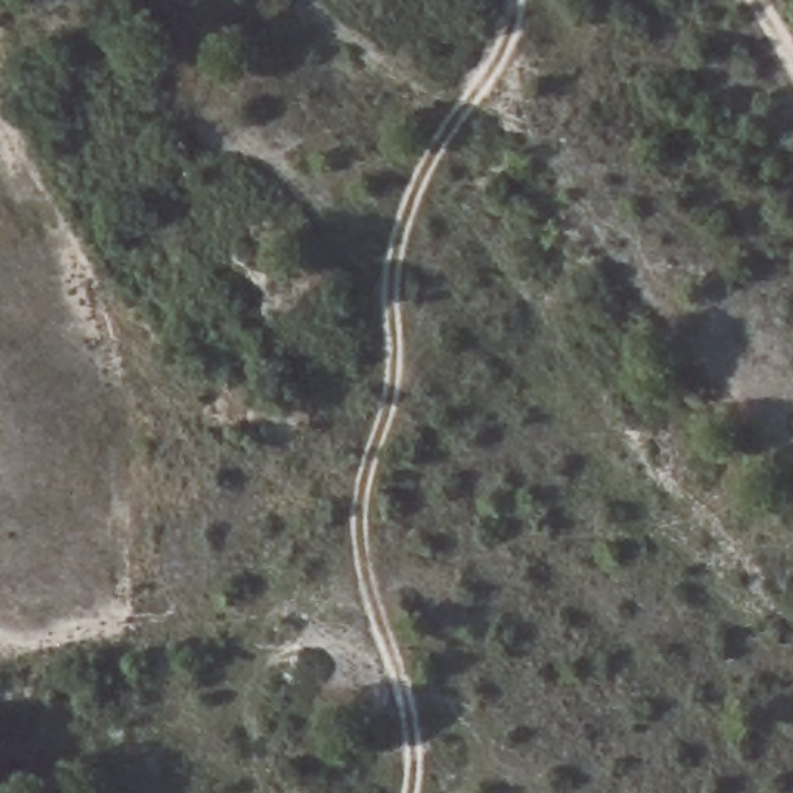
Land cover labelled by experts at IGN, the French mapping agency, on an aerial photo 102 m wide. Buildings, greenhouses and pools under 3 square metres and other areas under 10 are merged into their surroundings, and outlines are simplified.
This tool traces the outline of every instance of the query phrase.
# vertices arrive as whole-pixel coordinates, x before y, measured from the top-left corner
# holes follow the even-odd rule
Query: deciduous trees
[[[167,53],[158,43],[146,40],[149,19],[146,12],[130,6],[130,0],[81,0],[84,9],[77,31],[90,34],[115,77],[121,74],[124,81],[155,81],[164,68]]]
[[[307,647],[297,657],[294,681],[285,681],[276,672],[257,709],[266,756],[276,759],[285,778],[294,774],[294,759],[300,756],[316,756],[325,765],[341,765],[344,753],[353,743],[347,728],[335,719],[338,703],[319,694],[325,681],[335,675],[335,660],[319,647]]]
[[[545,520],[545,508],[533,502],[527,489],[517,489],[517,517],[524,530],[536,530]]]
[[[719,632],[719,638],[725,641],[725,657],[747,657],[750,629],[728,623]]]
[[[226,592],[226,601],[235,607],[257,601],[266,592],[266,576],[242,573],[232,579]]]
[[[675,387],[672,366],[678,356],[678,341],[672,335],[651,331],[647,319],[641,316],[629,316],[629,331],[623,331],[598,307],[582,307],[582,294],[592,288],[592,279],[601,269],[592,263],[579,242],[567,239],[564,254],[554,248],[542,248],[545,223],[551,220],[551,214],[558,214],[558,180],[551,158],[561,149],[551,142],[530,142],[520,133],[505,130],[499,115],[483,112],[480,105],[474,105],[465,115],[465,121],[471,121],[468,146],[446,149],[446,161],[440,167],[452,180],[483,177],[489,183],[489,198],[483,198],[483,208],[496,214],[502,223],[499,260],[493,266],[505,273],[511,291],[517,291],[536,310],[539,322],[548,331],[554,331],[554,353],[570,344],[576,359],[598,372],[598,381],[610,393],[613,406],[620,406],[629,427],[675,431],[685,446],[694,443],[694,452],[703,462],[719,462],[725,465],[725,471],[737,474],[734,489],[750,511],[778,514],[784,527],[793,530],[793,502],[784,489],[771,486],[765,458],[759,452],[737,452],[731,446],[734,421],[706,415],[700,397],[688,393],[685,387]]]
[[[685,579],[678,585],[678,598],[691,607],[706,607],[712,601],[712,595],[706,592],[709,567],[688,564]]]
[[[84,242],[84,251],[96,269],[118,248],[118,232],[152,232],[161,220],[142,208],[136,195],[112,201],[77,189],[68,211],[65,217],[74,235]]]
[[[0,793],[93,793],[87,768],[93,759],[87,756],[74,756],[71,762],[59,759],[56,771],[40,778],[15,771],[6,781],[0,781]]]
[[[217,28],[214,34],[208,34],[198,43],[195,62],[198,81],[208,87],[214,81],[239,81],[251,74],[251,68],[248,59],[239,53],[239,28]]]
[[[536,638],[536,626],[527,623],[520,613],[508,610],[499,623],[496,641],[502,644],[505,657],[527,657],[527,644]]]
[[[214,424],[276,421],[285,427],[297,427],[300,421],[307,421],[307,412],[300,412],[282,412],[279,406],[251,409],[242,390],[229,384],[220,387],[211,406],[204,406],[204,421]]]
[[[418,130],[415,121],[384,115],[375,127],[381,158],[409,180],[418,155],[424,152],[412,139],[412,133]]]
[[[28,46],[9,53],[0,62],[0,112],[25,136],[28,155],[40,167],[53,155],[53,142],[59,136],[56,121],[50,118],[59,108],[59,90],[65,77],[62,65],[68,53],[53,46],[50,34],[43,40],[31,40]]]
[[[462,468],[452,483],[443,486],[446,499],[452,502],[477,499],[477,474]]]

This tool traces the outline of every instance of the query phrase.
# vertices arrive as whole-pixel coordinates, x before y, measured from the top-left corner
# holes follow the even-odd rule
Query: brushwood
[[[604,146],[613,146],[613,130],[632,142],[632,170],[607,173],[607,186],[613,189],[616,201],[632,201],[638,214],[638,232],[663,245],[666,263],[706,263],[709,273],[700,285],[691,285],[691,300],[725,300],[728,294],[747,291],[759,282],[768,282],[771,276],[793,273],[793,81],[774,53],[774,43],[759,28],[762,9],[756,0],[316,0],[313,6],[331,22],[331,28],[347,25],[366,34],[378,53],[406,53],[415,71],[431,84],[462,87],[499,34],[520,31],[517,50],[530,59],[533,71],[539,74],[533,84],[536,96],[570,96],[582,77],[592,74],[598,81],[598,96],[589,108],[589,124],[595,136]]]
[[[96,269],[115,282],[118,297],[127,307],[133,307],[136,316],[152,319],[161,338],[161,344],[152,353],[158,359],[155,369],[164,369],[183,387],[198,387],[198,400],[204,406],[211,406],[220,387],[229,384],[242,390],[251,409],[279,406],[282,412],[300,412],[300,400],[294,397],[294,390],[276,378],[282,372],[279,362],[285,359],[285,350],[307,356],[313,366],[322,366],[325,372],[344,372],[347,387],[362,384],[362,372],[356,369],[356,347],[350,331],[338,322],[347,313],[347,307],[335,294],[335,273],[307,273],[300,266],[297,229],[307,226],[304,220],[316,214],[316,208],[273,164],[223,149],[226,136],[239,136],[245,127],[251,127],[245,121],[245,84],[239,81],[214,81],[208,87],[198,81],[195,62],[186,65],[183,59],[173,59],[167,53],[164,68],[155,81],[124,81],[121,74],[115,77],[90,34],[77,31],[84,9],[81,0],[0,0],[0,62],[9,53],[28,46],[31,40],[43,40],[50,34],[53,46],[68,53],[62,65],[65,77],[59,90],[59,108],[50,118],[56,121],[59,136],[53,142],[53,155],[40,167],[43,183],[68,211],[77,189],[112,201],[136,195],[142,208],[161,220],[152,232],[118,232],[118,248]],[[263,316],[260,288],[251,282],[254,269],[266,276],[285,273],[291,279],[307,276],[310,291],[291,310],[276,310]]]
[[[71,716],[81,716],[93,700],[105,706],[127,694],[124,685],[136,681],[139,669],[146,666],[146,651],[127,644],[118,635],[105,641],[71,641],[62,647],[37,647],[19,654],[31,666],[25,681],[31,688],[28,700],[40,700],[43,706],[71,709]]]

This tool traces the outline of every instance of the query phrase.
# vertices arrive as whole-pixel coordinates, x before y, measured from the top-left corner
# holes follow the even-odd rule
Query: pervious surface
[[[397,406],[381,406],[372,418],[366,446],[390,443]]]
[[[774,53],[793,81],[793,0],[756,0],[762,9],[759,28],[774,43]]]
[[[400,793],[421,793],[421,716],[412,691],[412,675],[390,629],[387,604],[381,598],[369,527],[372,493],[378,480],[375,458],[359,462],[353,477],[350,554],[375,647],[384,660],[387,678],[393,681],[400,737],[409,743],[403,747]]]
[[[403,387],[403,304],[390,304],[384,307],[384,384]]]
[[[421,201],[440,167],[446,161],[446,149],[468,146],[471,121],[465,121],[465,115],[474,105],[480,105],[517,50],[520,31],[499,34],[462,87],[458,102],[434,102],[427,108],[418,108],[415,121],[418,130],[412,133],[412,139],[424,152],[418,155],[409,180],[397,204],[400,245],[387,245],[384,254],[387,260],[406,260],[415,220],[421,214]]]

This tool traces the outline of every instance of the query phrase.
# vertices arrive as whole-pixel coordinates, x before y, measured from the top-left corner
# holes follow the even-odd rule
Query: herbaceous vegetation
[[[703,462],[694,452],[694,443],[685,446],[675,431],[629,427],[620,406],[613,406],[610,393],[598,381],[598,372],[576,359],[570,344],[554,353],[554,331],[548,331],[539,322],[536,310],[517,291],[511,291],[505,273],[493,266],[499,260],[502,223],[496,214],[483,208],[483,198],[489,198],[489,183],[483,177],[452,180],[440,167],[421,201],[421,214],[415,220],[406,260],[387,260],[384,254],[387,245],[400,245],[397,204],[409,180],[381,158],[375,127],[384,115],[415,121],[418,108],[427,108],[434,102],[458,102],[462,87],[431,84],[415,71],[406,53],[378,53],[366,34],[347,25],[331,28],[331,22],[313,6],[316,0],[130,0],[130,6],[146,12],[149,19],[146,40],[158,43],[167,53],[173,59],[183,59],[186,65],[195,62],[198,43],[208,34],[214,34],[217,28],[239,28],[239,53],[248,59],[251,68],[251,74],[239,81],[245,84],[245,121],[251,127],[245,127],[239,136],[226,136],[223,149],[273,164],[316,208],[316,214],[304,220],[307,226],[297,229],[300,266],[307,273],[335,273],[335,294],[347,307],[347,313],[338,322],[350,331],[356,347],[356,369],[362,372],[362,384],[347,387],[344,372],[325,372],[322,366],[313,366],[307,356],[285,350],[285,359],[279,362],[282,372],[276,378],[294,390],[294,397],[300,400],[300,412],[307,412],[307,421],[300,421],[297,427],[285,427],[276,421],[214,424],[204,421],[204,406],[198,400],[198,387],[183,387],[164,369],[155,369],[158,359],[152,353],[161,344],[161,338],[152,319],[136,316],[133,307],[127,307],[118,297],[115,282],[96,269],[84,251],[84,242],[74,235],[65,217],[68,211],[43,183],[40,167],[28,155],[25,136],[0,112],[0,781],[6,781],[15,771],[40,778],[56,771],[59,759],[71,762],[74,756],[87,756],[93,759],[87,768],[93,793],[400,793],[403,747],[409,743],[400,737],[393,681],[387,678],[384,660],[375,647],[350,554],[353,477],[359,462],[375,458],[378,480],[372,493],[369,527],[381,598],[387,604],[390,629],[412,675],[412,691],[421,716],[421,793],[793,793],[793,530],[784,527],[778,514],[750,511],[734,489],[737,474],[725,471],[725,465],[719,462]],[[390,304],[403,304],[403,387],[384,384],[384,307]],[[381,406],[397,406],[390,443],[366,446],[372,418]],[[477,474],[477,499],[452,502],[446,499],[443,486],[452,483],[462,468]],[[533,502],[545,508],[545,520],[536,530],[524,530],[517,517],[517,489],[527,489]],[[706,607],[691,607],[678,598],[678,585],[685,579],[688,564],[709,567],[706,592],[712,595],[712,601]],[[232,579],[242,573],[266,576],[266,592],[257,601],[235,607],[226,601],[226,592]],[[499,623],[508,610],[520,613],[527,623],[536,626],[536,638],[527,644],[527,657],[505,657],[502,644],[496,641]],[[728,623],[750,629],[747,657],[725,657],[725,641],[719,638],[719,632]],[[136,681],[124,685],[127,694],[105,706],[93,700],[81,716],[71,716],[71,709],[43,706],[40,700],[28,700],[31,688],[25,681],[31,666],[19,654],[37,647],[62,647],[71,641],[105,641],[118,635],[127,644],[146,651],[146,666],[139,669]],[[294,681],[297,657],[307,647],[319,647],[335,660],[335,675],[325,681],[319,694],[338,703],[335,719],[347,728],[353,743],[344,753],[341,765],[325,765],[316,756],[300,756],[294,759],[294,774],[285,778],[276,759],[266,756],[257,709],[276,672],[285,681]]]
[[[675,387],[685,387],[688,393],[700,397],[706,415],[734,421],[731,446],[737,452],[759,452],[765,458],[771,486],[784,489],[793,502],[793,273],[771,276],[768,282],[759,282],[747,291],[728,294],[725,300],[691,300],[691,285],[700,285],[709,273],[706,263],[666,263],[663,245],[638,232],[638,214],[632,201],[616,201],[613,189],[607,186],[607,173],[632,170],[632,142],[613,130],[613,146],[604,146],[595,136],[589,124],[589,108],[598,96],[598,81],[592,74],[582,77],[570,96],[536,96],[533,84],[539,74],[533,71],[530,59],[517,50],[480,105],[483,112],[499,115],[505,130],[520,133],[530,142],[551,142],[561,149],[551,158],[558,180],[558,214],[551,214],[551,220],[545,223],[542,248],[554,248],[564,254],[567,239],[579,242],[592,263],[601,269],[592,279],[592,288],[582,294],[582,307],[598,307],[623,331],[629,331],[629,316],[641,316],[647,319],[651,331],[672,335],[678,341],[678,356],[672,366]]]
[[[307,276],[291,279],[285,273],[266,276],[254,269],[251,282],[260,288],[263,316],[276,310],[291,310],[310,291]]]

